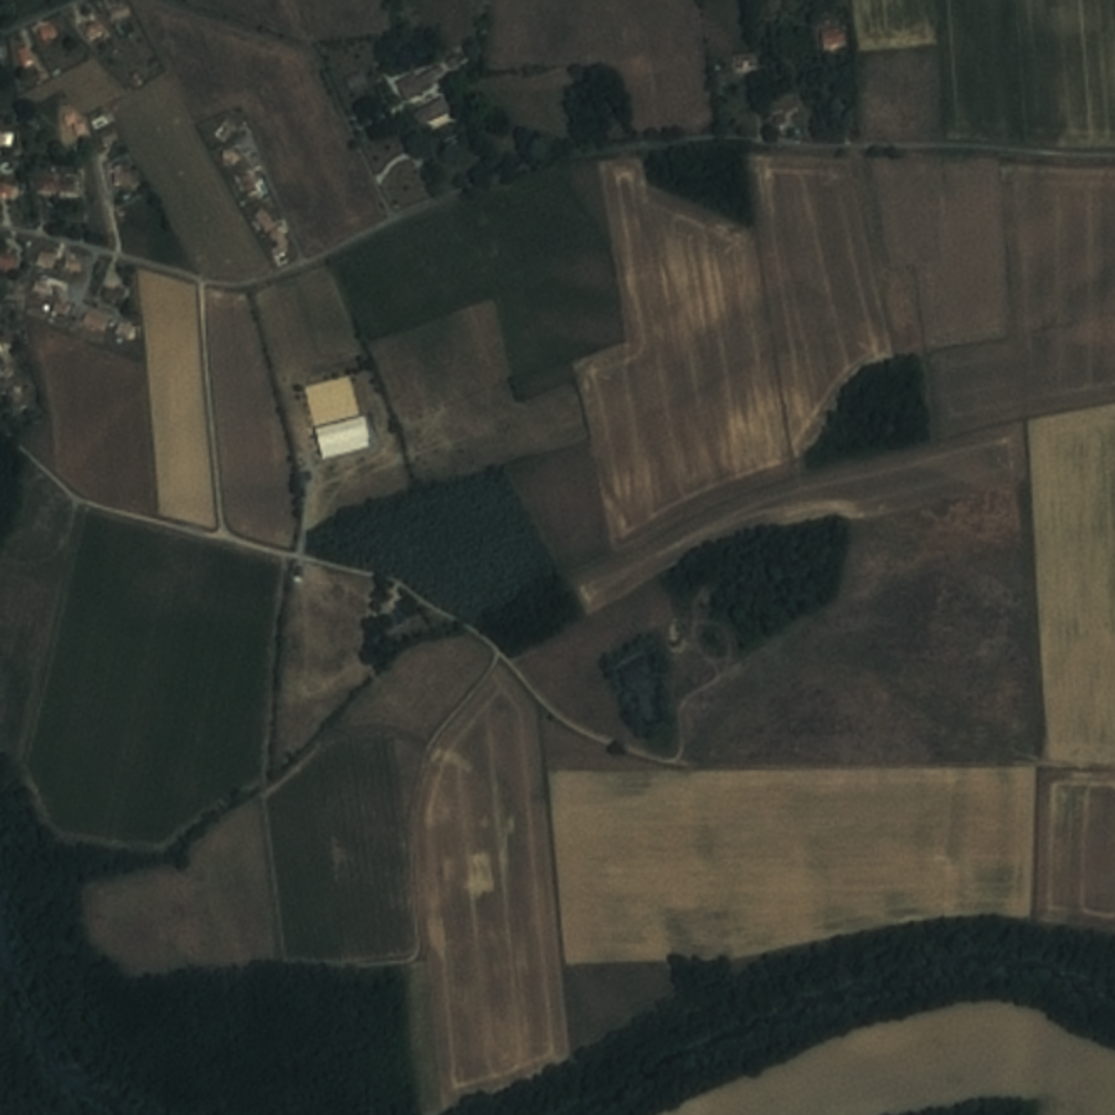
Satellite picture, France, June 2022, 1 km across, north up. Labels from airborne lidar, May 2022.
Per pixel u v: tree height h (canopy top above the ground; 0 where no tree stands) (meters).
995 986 22
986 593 0
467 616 14
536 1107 16
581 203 0
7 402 7
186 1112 18
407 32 25
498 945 0
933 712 0
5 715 0
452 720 0
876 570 0
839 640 0
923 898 0
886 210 0
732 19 0
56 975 22
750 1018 14
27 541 0
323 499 0
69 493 0
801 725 0
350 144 9
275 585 0
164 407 0
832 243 0
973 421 0
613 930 0
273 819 0
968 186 0
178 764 0
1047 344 0
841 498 0
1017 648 0
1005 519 0
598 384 0
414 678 0
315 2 0
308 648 0
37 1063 18
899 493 0
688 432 0
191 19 0
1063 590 0
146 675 0
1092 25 0
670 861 0
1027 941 22
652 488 0
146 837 0
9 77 13
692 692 0
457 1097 0
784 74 10
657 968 0
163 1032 21
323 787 0
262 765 0
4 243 6
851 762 0
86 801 0
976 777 0
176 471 0
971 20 0
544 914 0
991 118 0
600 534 0
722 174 12
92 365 0
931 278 0
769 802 0
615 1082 21
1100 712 0
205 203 0
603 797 0
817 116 6
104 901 0
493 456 0
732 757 0
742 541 10
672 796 0
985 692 0
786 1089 0
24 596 0
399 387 0
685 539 0
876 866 0
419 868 0
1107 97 0
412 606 12
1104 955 19
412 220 0
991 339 0
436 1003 0
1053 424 0
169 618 0
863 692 0
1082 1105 0
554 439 0
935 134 0
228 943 0
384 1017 11
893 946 24
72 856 13
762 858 0
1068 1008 23
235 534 0
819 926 0
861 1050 0
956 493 0
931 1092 0
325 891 0
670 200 0
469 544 16
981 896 0
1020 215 0
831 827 0
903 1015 14
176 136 0
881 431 11
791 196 0
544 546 13
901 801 0
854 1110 0
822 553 10
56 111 0
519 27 0
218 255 0
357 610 0
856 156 0
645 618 0
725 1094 0
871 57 0
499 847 0
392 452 0
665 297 0
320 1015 21
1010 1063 0
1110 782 0
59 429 0
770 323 0
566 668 0
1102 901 0
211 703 0
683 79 0
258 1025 18
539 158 25
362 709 0
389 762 0
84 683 0
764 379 0
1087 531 0
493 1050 0
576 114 11
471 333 0
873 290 0
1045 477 0
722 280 0
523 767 0
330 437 0
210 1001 19
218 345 0
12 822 14
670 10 0
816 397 0
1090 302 0
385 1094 15
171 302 0
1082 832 0
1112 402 0
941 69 0
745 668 0
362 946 0
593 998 0
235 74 0
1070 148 0
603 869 0
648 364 0
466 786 0
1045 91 0
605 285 0
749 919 0
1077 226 0
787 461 0
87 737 0
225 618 0
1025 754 0
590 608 0
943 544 0
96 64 0
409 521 12
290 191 0
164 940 0
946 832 0
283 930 0
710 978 9
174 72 0
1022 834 0
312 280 0
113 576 0
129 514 0
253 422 0
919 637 0
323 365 0
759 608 15
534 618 13
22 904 17
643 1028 13
